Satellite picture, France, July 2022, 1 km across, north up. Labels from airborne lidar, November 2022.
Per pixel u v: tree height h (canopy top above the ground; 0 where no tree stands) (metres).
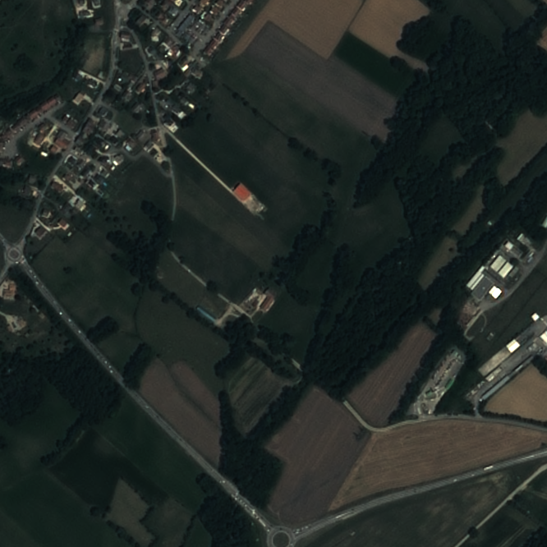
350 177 0
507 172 0
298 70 0
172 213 0
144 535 0
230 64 0
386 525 0
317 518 0
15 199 9
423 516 0
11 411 24
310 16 0
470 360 7
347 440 0
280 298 0
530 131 0
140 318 0
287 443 0
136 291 18
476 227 14
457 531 0
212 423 0
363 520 0
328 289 0
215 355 0
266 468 24
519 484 0
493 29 0
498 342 0
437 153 0
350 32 0
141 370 13
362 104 0
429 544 0
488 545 0
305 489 0
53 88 9
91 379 32
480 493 0
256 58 0
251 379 0
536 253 0
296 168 0
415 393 17
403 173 0
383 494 0
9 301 0
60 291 0
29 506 0
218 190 0
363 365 17
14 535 0
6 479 0
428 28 9
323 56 0
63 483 0
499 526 0
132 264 6
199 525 0
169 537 0
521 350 0
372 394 0
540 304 0
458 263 20
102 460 0
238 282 0
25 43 0
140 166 0
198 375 0
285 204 0
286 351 20
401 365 0
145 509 0
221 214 0
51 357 11
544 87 19
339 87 0
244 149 0
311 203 0
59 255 0
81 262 0
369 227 0
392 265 26
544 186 25
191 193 0
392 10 0
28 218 0
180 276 0
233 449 27
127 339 0
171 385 0
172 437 0
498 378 0
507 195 12
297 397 21
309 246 24
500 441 0
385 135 0
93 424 18
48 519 0
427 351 0
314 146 0
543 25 17
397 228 0
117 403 26
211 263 0
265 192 0
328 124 0
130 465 0
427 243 25
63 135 0
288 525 0
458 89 21
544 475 0
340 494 0
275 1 0
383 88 0
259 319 0
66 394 17
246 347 19
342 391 16
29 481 0
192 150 0
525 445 0
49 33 0
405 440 0
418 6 0
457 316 17
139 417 0
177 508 0
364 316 10
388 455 0
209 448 0
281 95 0
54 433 0
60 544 0
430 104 8
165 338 0
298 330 0
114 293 0
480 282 0
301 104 0
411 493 0
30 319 0
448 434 0
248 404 0
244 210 0
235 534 20
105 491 0
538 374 0
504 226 27
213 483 21
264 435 23
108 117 0
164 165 10
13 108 17
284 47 0
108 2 0
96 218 0
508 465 0
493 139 26
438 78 21
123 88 7
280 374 11
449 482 0
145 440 0
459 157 19
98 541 0
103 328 22
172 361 0
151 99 12
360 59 0
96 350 0
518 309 0
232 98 0
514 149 0
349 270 21
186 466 0
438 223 6
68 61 9
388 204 0
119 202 0
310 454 0
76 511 0
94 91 0
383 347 9
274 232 0
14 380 28
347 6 0
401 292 12
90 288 0
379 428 0
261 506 24
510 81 24
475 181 13
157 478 0
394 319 16
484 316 0
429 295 16
